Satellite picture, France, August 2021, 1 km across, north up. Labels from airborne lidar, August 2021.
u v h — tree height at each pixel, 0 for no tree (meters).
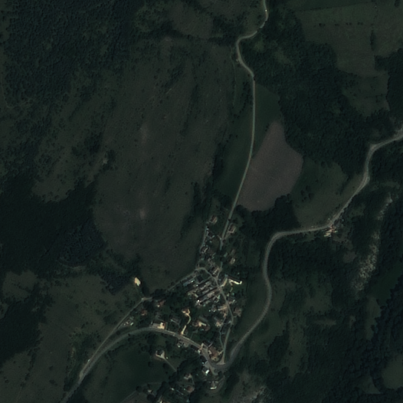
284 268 13
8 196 11
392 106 14
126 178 0
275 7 12
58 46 11
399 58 8
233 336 0
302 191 7
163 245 0
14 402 0
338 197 0
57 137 6
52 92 7
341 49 0
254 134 0
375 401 24
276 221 20
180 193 0
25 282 0
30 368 8
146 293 17
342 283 20
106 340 0
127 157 0
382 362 17
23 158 6
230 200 16
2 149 6
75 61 10
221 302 6
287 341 13
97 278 0
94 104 0
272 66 9
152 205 0
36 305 8
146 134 0
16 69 9
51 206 12
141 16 9
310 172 0
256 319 0
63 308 0
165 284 0
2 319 9
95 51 7
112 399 0
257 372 13
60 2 12
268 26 14
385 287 0
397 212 25
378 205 18
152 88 0
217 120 0
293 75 13
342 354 21
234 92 8
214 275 9
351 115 17
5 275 8
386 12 0
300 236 14
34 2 8
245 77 0
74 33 9
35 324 12
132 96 0
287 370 15
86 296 0
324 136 16
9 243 13
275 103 0
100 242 16
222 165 7
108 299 0
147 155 0
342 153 12
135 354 0
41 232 15
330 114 26
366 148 17
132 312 7
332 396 26
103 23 8
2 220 13
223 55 0
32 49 9
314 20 0
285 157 0
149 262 0
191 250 0
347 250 9
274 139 0
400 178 7
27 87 6
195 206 11
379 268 17
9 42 10
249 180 0
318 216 0
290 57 10
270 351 12
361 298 7
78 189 11
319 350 14
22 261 11
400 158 11
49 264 12
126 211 0
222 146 11
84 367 0
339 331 13
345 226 6
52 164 5
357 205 9
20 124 10
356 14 0
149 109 0
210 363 0
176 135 0
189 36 14
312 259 22
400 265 0
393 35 0
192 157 0
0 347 14
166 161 0
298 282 10
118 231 0
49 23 11
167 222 0
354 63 0
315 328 11
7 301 10
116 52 16
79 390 10
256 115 0
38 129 10
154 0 8
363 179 0
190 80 0
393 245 24
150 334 12
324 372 11
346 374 28
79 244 17
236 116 11
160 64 0
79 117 0
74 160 0
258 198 0
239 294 8
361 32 0
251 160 0
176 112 0
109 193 0
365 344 22
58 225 7
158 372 0
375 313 0
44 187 0
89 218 17
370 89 0
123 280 12
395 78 19
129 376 0
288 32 11
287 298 9
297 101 15
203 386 7
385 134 7
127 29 14
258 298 0
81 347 9
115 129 0
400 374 0
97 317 0
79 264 15
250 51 17
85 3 15
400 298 11
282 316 6
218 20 13
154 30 11
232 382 8
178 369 11
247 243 6
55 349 0
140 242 0
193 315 9
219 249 7
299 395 9
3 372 9
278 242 13
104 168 9
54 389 0
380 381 18
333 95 18
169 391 12
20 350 11
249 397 0
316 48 10
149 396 12
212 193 13
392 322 16
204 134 0
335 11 0
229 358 0
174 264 0
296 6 0
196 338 0
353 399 26
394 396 17
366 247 14
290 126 8
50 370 8
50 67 10
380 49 0
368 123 8
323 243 9
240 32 10
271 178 0
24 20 13
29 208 12
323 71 18
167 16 6
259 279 0
